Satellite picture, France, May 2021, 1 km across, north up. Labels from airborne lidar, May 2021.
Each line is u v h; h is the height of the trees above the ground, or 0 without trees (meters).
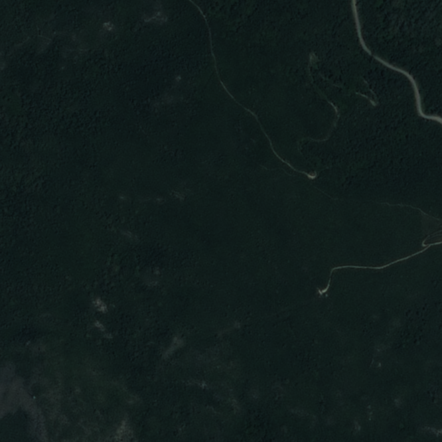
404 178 9
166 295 6
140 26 11
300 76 6
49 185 5
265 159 5
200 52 7
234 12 6
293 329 10
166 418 5
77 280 7
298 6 9
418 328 7
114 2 6
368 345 6
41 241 7
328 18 7
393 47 9
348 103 6
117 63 8
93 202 9
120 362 6
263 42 6
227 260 6
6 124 10
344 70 9
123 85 10
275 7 6
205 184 6
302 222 6
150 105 7
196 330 8
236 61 6
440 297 6
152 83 6
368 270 5
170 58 9
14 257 6
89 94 12
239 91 5
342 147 9
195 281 10
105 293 11
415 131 8
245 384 8
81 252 6
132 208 5
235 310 9
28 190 11
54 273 9
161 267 7
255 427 10
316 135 6
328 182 5
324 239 6
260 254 5
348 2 10
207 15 6
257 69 6
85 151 8
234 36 6
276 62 6
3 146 15
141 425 7
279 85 5
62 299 10
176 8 6
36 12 11
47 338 7
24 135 9
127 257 9
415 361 5
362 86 5
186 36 6
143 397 9
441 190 7
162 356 8
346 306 5
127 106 6
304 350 6
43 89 8
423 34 18
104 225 11
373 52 11
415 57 8
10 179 11
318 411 7
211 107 5
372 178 6
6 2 8
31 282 8
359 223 6
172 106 8
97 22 7
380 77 15
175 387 7
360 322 7
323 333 5
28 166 11
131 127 7
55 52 9
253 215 6
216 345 8
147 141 7
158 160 9
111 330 7
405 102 9
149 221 7
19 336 11
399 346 7
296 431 8
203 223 5
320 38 10
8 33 6
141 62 5
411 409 6
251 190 6
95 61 10
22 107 11
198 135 5
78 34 5
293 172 8
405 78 9
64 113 8
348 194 6
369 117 12
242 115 7
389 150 5
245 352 6
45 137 10
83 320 7
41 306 9
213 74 6
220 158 8
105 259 7
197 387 6
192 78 8
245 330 5
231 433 6
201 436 6
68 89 9
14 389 0
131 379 7
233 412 11
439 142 8
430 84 12
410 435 6
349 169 6
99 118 11
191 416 9
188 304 8
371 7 15
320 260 6
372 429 6
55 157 5
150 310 8
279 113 6
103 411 6
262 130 6
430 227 0
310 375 6
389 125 15
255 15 7
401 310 6
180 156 10
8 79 6
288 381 8
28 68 10
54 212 9
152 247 8
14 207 10
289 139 6
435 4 9
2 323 9
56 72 5
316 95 9
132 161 7
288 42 6
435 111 13
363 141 17
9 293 10
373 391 7
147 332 10
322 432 6
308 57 11
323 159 10
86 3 7
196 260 8
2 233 6
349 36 5
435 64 9
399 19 18
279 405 7
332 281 6
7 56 8
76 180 7
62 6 13
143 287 9
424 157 7
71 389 8
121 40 7
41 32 7
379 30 13
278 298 5
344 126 10
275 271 6
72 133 8
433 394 10
